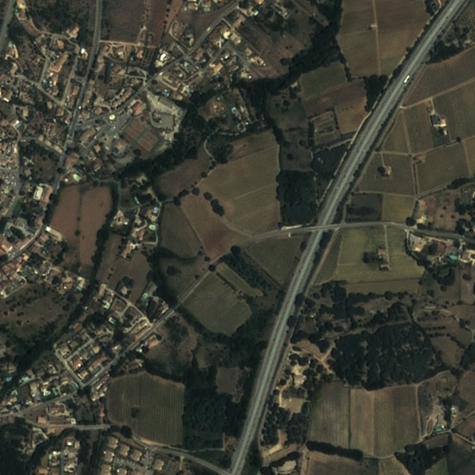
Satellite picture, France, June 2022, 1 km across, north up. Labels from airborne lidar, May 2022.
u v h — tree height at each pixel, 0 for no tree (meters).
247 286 0
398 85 0
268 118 12
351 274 0
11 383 7
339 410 0
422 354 12
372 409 0
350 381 13
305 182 13
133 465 0
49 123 7
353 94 0
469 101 0
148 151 0
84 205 0
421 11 0
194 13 0
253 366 13
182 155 9
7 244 0
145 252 8
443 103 0
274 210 0
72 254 0
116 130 0
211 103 0
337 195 0
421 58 0
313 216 14
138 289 0
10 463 14
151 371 12
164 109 0
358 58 0
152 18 0
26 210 9
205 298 0
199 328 6
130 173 15
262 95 9
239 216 0
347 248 0
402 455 14
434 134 0
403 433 0
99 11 0
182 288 0
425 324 0
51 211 16
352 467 0
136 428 0
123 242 9
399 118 0
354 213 10
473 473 0
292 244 0
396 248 0
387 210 0
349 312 14
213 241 0
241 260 17
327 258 0
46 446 14
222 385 0
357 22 0
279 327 0
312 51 15
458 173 0
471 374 0
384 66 0
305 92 0
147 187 10
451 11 0
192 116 9
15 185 0
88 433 16
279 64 0
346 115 0
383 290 0
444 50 10
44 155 10
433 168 0
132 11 0
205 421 6
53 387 6
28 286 0
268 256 0
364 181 0
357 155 0
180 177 0
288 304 0
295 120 0
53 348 10
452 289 0
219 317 0
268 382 0
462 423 0
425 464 17
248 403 7
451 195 0
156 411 0
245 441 0
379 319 9
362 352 13
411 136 0
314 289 0
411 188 0
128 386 0
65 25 8
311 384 14
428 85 0
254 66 0
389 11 0
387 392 0
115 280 0
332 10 19
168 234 0
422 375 16
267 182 0
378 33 0
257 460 13
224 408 12
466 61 0
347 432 0
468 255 0
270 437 15
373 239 0
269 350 0
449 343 0
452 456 0
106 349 12
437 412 0
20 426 8
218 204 11
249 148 0
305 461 0
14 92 5
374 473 0
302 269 0
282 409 16
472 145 0
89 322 13
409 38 0
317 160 13
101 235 14
